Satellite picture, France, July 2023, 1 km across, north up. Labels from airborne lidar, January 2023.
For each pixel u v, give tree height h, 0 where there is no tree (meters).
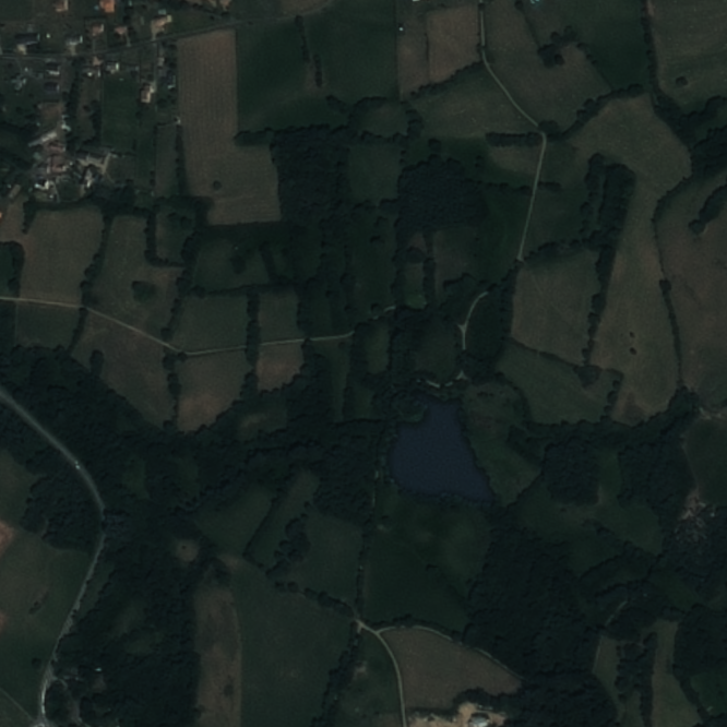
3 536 0
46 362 14
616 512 0
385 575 0
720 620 10
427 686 0
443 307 8
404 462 0
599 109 13
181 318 0
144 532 6
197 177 0
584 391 0
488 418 0
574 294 0
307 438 10
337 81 0
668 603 7
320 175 24
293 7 0
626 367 0
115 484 9
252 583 0
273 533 0
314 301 0
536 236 0
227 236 0
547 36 0
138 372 0
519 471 0
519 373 0
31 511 10
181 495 16
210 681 0
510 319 18
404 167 7
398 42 0
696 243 0
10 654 0
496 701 18
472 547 0
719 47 0
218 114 0
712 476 0
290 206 23
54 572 0
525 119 0
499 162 0
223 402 0
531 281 0
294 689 0
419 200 18
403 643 0
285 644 0
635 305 0
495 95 0
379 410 8
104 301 0
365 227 0
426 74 0
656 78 16
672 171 0
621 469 7
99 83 0
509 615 6
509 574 6
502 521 12
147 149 0
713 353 0
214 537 0
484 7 8
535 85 0
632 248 0
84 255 0
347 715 0
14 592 0
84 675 10
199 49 0
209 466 9
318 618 0
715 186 0
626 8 0
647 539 0
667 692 0
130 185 10
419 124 16
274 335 0
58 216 0
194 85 0
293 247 9
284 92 0
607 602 25
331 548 0
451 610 0
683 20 0
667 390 0
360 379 8
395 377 27
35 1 0
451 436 0
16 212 0
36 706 0
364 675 0
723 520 11
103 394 10
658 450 21
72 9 0
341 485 18
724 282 0
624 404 0
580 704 20
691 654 9
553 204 0
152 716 9
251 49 0
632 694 0
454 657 0
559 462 18
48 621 0
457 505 11
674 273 0
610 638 7
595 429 11
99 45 0
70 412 18
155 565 14
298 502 0
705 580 12
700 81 0
